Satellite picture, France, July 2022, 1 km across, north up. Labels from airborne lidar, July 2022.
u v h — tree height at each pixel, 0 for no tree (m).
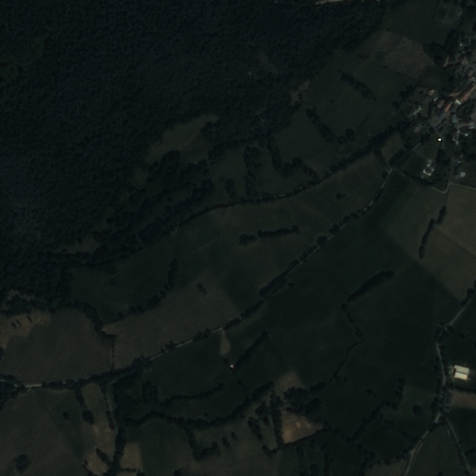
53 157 17
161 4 14
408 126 19
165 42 18
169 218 19
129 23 10
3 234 10
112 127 19
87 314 20
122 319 18
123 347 0
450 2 15
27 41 16
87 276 0
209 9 21
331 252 0
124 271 0
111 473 16
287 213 0
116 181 21
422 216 0
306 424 0
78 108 10
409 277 0
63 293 29
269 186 0
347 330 0
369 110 0
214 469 0
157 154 0
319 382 0
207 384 0
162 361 0
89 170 20
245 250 0
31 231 14
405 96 21
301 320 0
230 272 0
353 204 0
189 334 0
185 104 16
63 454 0
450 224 0
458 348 0
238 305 0
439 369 19
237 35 17
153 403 18
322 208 0
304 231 0
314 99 0
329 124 0
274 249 0
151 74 22
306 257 10
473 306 0
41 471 0
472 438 0
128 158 22
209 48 23
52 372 0
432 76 0
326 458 14
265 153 0
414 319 0
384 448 0
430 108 7
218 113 18
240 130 14
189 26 23
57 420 0
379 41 0
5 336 0
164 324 0
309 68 11
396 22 0
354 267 0
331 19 15
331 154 0
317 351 0
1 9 26
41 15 19
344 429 0
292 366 0
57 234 22
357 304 0
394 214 0
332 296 0
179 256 0
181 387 0
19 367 0
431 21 0
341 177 0
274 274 0
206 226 0
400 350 0
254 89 22
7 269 21
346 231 0
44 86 14
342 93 0
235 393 0
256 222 0
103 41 17
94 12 10
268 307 0
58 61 10
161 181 14
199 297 0
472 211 0
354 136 20
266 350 0
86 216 13
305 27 16
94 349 0
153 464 0
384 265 0
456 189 0
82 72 19
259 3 15
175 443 0
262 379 0
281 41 9
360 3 15
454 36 11
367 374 0
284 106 15
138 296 0
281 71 14
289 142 0
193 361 0
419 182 13
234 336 0
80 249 0
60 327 0
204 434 0
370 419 11
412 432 0
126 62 9
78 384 13
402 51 0
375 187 0
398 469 0
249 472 0
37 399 0
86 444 0
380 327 0
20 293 14
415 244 0
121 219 20
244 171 0
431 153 0
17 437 0
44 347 0
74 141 21
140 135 27
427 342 0
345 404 0
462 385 0
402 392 8
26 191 19
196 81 7
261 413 21
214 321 0
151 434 0
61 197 13
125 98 18
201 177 0
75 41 9
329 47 17
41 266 13
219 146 21
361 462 0
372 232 0
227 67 17
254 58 18
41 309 19
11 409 0
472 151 0
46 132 8
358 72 0
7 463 0
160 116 24
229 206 6
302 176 0
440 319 0
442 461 0
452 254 0
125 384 24
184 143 0
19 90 8
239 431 0
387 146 0
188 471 0
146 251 0
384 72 0
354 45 18
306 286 0
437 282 0
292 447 6
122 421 19
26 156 19
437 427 14
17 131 11
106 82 20
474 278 0
